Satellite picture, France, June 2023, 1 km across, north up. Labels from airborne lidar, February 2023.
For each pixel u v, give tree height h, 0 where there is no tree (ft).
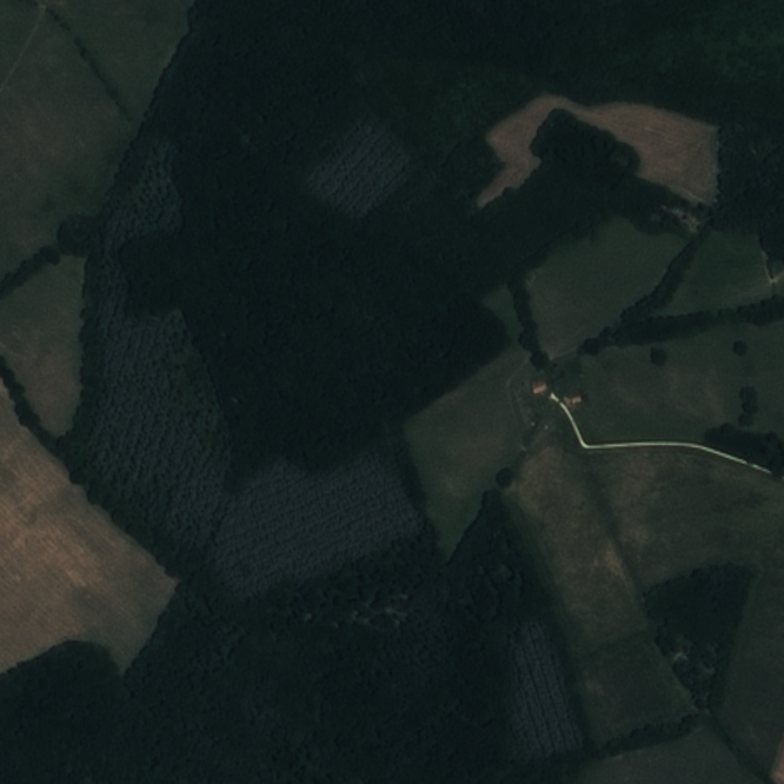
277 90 77
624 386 0
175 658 62
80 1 0
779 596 0
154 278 79
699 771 0
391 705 81
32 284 0
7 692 75
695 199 0
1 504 0
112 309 48
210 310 82
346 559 57
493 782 72
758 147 68
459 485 0
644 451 0
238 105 66
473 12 64
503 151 0
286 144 61
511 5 94
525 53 83
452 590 62
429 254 64
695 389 0
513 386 0
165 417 53
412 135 68
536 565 39
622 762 0
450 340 80
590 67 20
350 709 84
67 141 0
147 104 0
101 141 0
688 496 0
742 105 23
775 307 55
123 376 46
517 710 54
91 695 55
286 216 74
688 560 0
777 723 0
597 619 0
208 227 78
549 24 90
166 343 50
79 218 26
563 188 29
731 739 19
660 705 0
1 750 89
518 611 90
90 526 0
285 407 61
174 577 46
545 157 57
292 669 62
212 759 82
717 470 0
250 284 82
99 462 54
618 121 0
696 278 0
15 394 35
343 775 79
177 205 64
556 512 0
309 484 56
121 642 0
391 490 56
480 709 80
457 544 0
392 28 88
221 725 72
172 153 52
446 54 81
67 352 0
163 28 0
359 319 57
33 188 0
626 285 0
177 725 80
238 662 59
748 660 0
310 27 80
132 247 63
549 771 72
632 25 50
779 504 0
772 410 0
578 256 0
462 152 59
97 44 0
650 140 0
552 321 0
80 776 28
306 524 52
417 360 67
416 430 0
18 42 0
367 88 59
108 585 0
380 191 45
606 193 57
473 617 90
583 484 0
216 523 37
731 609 66
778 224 58
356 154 47
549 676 53
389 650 59
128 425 50
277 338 73
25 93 0
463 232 53
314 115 78
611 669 0
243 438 67
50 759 78
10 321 0
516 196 47
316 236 83
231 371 69
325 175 52
